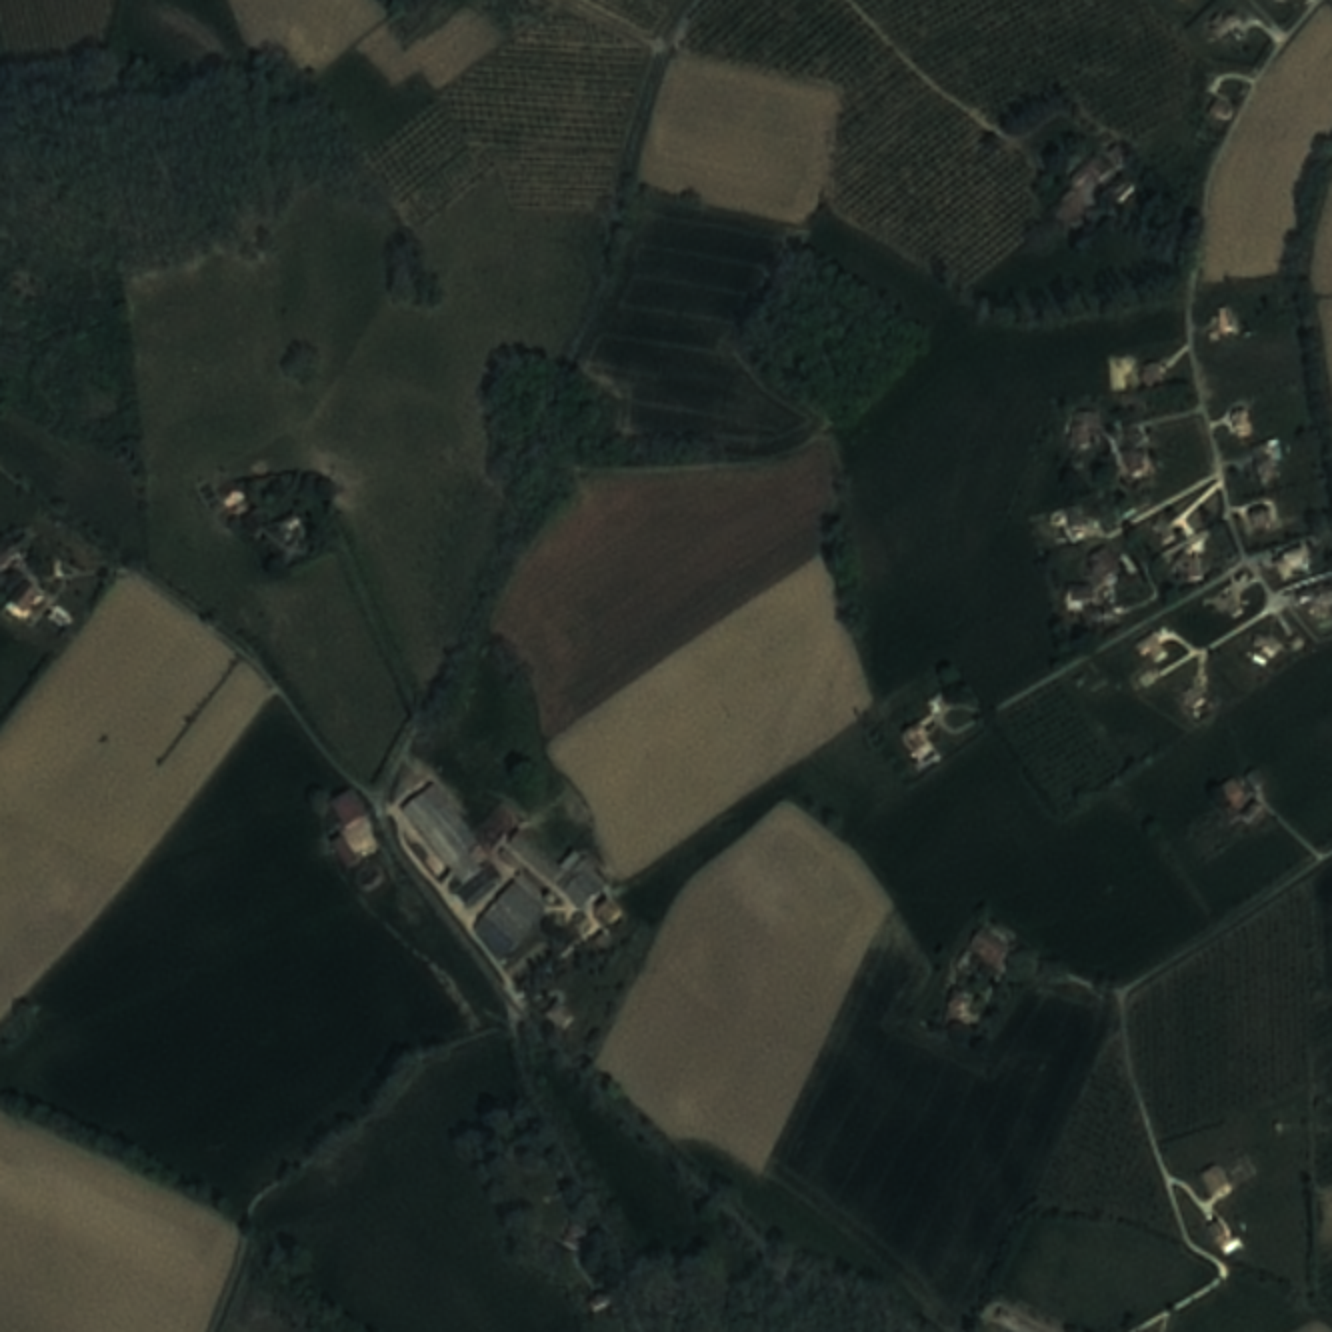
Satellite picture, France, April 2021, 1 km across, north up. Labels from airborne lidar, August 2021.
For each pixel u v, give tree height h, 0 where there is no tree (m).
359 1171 0
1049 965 11
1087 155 6
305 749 0
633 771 0
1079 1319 0
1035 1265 0
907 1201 0
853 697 0
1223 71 0
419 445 0
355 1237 0
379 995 0
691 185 0
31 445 0
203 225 19
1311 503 10
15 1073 0
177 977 0
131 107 23
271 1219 0
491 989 0
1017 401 0
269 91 17
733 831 0
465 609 9
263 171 20
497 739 0
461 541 8
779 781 0
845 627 16
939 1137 0
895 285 0
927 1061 0
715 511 0
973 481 0
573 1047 15
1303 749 0
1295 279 14
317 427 0
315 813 9
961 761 0
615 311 0
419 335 0
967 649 0
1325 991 0
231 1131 0
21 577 8
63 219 13
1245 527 9
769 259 0
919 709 0
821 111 0
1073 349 0
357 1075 0
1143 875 0
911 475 0
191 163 21
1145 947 0
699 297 0
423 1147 0
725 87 0
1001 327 28
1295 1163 0
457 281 0
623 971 0
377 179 20
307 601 0
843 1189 0
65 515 10
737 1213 10
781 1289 18
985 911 9
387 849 10
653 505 0
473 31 0
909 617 0
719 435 0
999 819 0
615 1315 10
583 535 0
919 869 0
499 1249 0
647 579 0
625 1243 10
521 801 0
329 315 0
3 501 0
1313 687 0
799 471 0
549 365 19
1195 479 0
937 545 0
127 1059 0
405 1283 0
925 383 0
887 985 0
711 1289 20
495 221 0
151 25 0
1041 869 0
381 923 0
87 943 0
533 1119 14
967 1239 0
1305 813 0
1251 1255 0
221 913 0
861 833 0
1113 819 0
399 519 0
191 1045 0
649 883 0
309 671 0
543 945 0
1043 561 6
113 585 12
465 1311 0
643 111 0
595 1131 0
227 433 0
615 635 0
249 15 0
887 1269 0
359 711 0
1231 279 8
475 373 0
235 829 0
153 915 0
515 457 22
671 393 0
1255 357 0
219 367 0
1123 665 0
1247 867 0
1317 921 0
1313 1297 7
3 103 18
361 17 0
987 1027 9
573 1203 14
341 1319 18
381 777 6
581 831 0
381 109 0
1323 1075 0
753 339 22
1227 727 0
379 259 0
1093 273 0
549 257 0
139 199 17
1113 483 13
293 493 8
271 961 0
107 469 0
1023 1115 0
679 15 0
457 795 0
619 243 12
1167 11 0
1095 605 9
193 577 0
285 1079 0
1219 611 0
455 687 19
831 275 27
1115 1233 0
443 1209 0
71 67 12
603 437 16
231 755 0
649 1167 0
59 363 10
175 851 0
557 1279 12
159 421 0
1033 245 17
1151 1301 0
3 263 9
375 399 0
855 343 25
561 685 0
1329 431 18
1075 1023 0
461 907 0
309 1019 0
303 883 0
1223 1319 0
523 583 0
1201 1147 0
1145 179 9
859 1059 0
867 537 0
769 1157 0
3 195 13
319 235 0
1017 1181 0
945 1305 0
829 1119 0
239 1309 0
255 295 0
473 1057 0
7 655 0
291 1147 0
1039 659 0
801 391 25
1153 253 15
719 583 0
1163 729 0
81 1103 0
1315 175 16
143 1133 0
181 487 0
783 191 0
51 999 0
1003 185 6
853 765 0
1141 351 0
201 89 25
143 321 0
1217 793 13
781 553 0
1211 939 0
